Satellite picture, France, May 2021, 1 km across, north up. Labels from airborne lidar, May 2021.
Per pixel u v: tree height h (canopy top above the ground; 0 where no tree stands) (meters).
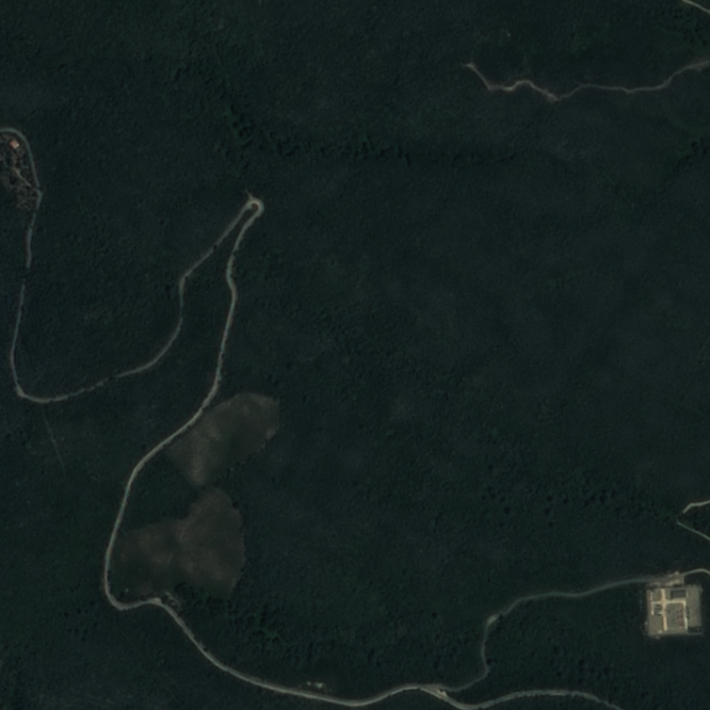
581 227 8
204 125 9
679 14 10
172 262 6
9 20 7
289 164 11
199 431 0
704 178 6
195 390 6
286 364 6
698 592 0
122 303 9
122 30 6
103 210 6
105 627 6
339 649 11
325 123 6
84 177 6
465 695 6
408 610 6
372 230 7
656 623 0
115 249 8
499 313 6
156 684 7
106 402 7
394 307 7
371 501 7
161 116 6
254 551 6
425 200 6
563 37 7
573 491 8
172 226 6
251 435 0
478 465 7
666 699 7
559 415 7
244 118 17
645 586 0
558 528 6
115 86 13
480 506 6
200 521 0
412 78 7
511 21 7
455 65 7
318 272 10
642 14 11
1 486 6
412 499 9
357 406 7
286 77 8
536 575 5
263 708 11
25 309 7
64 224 6
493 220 6
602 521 8
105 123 10
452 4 7
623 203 6
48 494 5
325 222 5
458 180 7
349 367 8
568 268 6
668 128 6
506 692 6
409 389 9
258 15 6
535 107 7
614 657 6
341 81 6
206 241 6
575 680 8
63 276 8
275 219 5
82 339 6
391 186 9
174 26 6
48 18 7
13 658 9
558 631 7
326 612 6
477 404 6
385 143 13
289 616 10
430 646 10
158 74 13
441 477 6
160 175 6
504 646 8
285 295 12
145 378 6
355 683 5
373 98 8
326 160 18
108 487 5
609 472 6
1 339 9
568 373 7
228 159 7
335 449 6
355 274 6
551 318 7
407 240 6
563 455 7
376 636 11
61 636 6
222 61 11
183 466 0
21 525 7
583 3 12
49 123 11
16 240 6
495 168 15
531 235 6
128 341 8
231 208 6
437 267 6
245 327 6
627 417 5
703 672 5
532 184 7
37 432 6
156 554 0
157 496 6
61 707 6
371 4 7
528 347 6
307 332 7
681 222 7
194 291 7
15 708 9
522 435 6
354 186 7
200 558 0
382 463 7
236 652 6
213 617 11
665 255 5
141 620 6
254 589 8
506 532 7
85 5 7
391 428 7
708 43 8
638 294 6
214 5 8
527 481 11
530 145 10
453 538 6
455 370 9
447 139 6
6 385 8
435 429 8
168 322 7
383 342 15
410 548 6
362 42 9
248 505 6
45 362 7
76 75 15
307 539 6
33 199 6
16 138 6
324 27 8
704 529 13
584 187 5
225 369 6
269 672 6
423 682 7
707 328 6
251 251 7
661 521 11
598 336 6
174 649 6
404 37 7
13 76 9
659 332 6
